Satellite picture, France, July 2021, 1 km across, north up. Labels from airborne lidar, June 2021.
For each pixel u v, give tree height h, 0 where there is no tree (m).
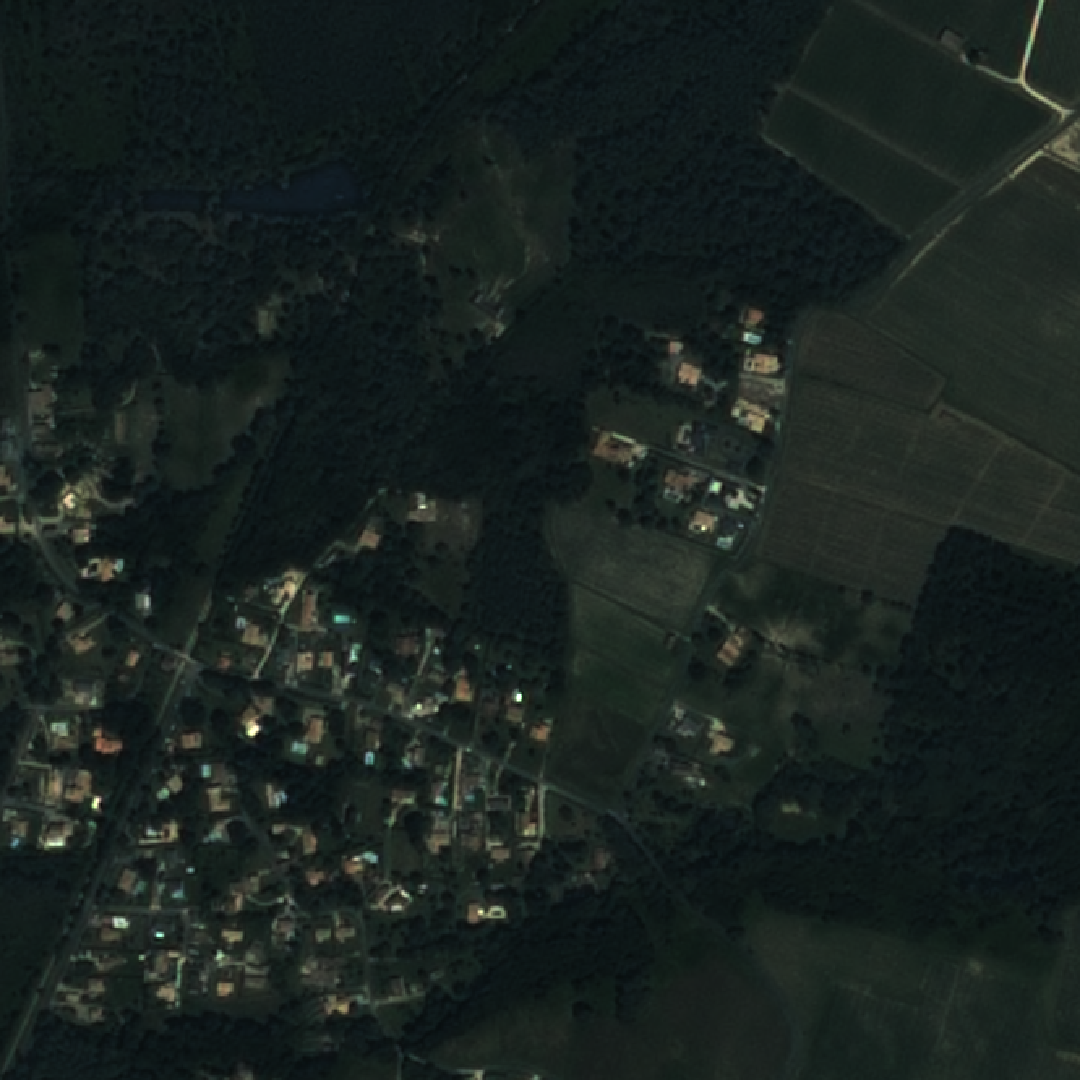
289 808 14
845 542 0
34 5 13
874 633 0
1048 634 23
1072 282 0
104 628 0
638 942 23
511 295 0
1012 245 0
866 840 8
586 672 0
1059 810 21
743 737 0
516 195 0
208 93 14
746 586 0
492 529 9
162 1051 13
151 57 6
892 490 0
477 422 11
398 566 14
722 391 5
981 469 0
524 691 11
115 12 12
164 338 15
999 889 29
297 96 11
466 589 9
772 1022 0
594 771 0
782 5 22
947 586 17
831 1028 0
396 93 11
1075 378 0
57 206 16
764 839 20
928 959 0
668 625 0
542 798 0
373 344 19
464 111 17
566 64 15
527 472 6
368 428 6
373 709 0
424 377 20
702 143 19
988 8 0
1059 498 0
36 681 16
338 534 12
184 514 17
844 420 0
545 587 8
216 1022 21
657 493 10
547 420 5
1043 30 0
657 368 8
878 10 0
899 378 0
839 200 13
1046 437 0
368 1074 0
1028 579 8
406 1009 7
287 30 11
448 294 0
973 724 19
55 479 19
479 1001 22
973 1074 0
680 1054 0
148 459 0
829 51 0
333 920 0
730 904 8
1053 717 18
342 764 11
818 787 20
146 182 8
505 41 12
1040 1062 0
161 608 17
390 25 10
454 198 0
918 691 21
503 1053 0
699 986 0
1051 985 0
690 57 24
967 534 19
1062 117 0
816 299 16
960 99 0
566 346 0
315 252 26
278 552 16
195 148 7
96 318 15
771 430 0
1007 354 0
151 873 20
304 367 23
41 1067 29
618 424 0
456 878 7
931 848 13
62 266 0
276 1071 18
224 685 14
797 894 9
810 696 0
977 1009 0
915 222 0
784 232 23
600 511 0
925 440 0
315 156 9
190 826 12
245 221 13
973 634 20
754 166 23
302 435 24
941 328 0
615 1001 0
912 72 0
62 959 8
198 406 0
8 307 12
